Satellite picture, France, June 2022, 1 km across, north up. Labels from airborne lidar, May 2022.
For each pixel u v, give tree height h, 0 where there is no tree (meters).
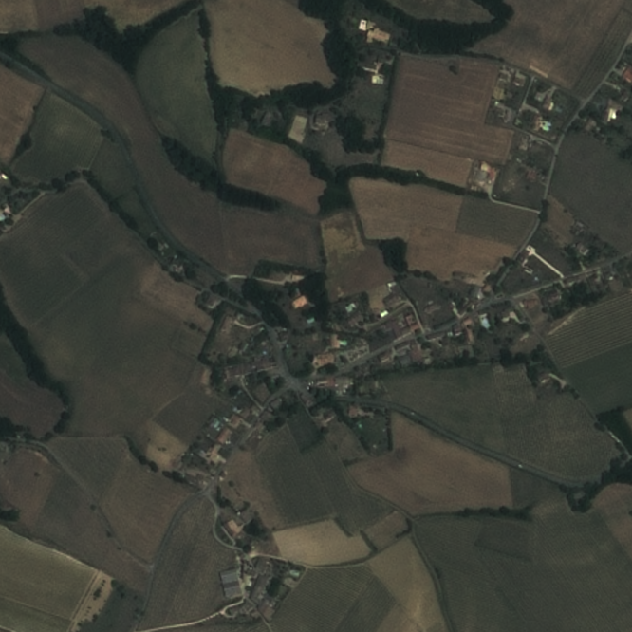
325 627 0
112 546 0
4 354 0
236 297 10
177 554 0
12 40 9
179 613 0
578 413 0
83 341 0
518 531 0
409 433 0
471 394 0
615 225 0
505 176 0
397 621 0
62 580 0
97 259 0
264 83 0
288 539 0
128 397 0
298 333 11
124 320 0
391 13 20
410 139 0
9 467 0
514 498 0
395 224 0
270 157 0
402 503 0
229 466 0
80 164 0
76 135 0
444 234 0
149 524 0
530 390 0
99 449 0
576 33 0
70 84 0
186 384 0
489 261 0
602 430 12
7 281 0
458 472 0
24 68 0
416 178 6
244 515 0
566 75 0
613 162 0
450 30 21
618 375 0
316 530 0
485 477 0
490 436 0
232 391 10
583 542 0
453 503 0
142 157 0
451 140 0
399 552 0
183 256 7
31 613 0
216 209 0
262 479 0
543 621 0
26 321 0
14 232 0
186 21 0
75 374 0
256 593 0
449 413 0
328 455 0
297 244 0
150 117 0
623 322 0
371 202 0
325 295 13
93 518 0
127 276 0
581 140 0
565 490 10
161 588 0
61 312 0
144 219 0
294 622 0
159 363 0
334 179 19
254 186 0
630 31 0
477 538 0
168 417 0
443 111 0
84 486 0
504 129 0
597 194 0
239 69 0
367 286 0
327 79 0
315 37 0
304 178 0
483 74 0
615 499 0
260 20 0
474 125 0
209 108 0
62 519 0
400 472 0
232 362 14
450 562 0
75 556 0
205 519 0
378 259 0
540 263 0
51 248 0
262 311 11
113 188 0
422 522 0
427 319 0
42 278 0
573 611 0
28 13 0
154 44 0
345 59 18
